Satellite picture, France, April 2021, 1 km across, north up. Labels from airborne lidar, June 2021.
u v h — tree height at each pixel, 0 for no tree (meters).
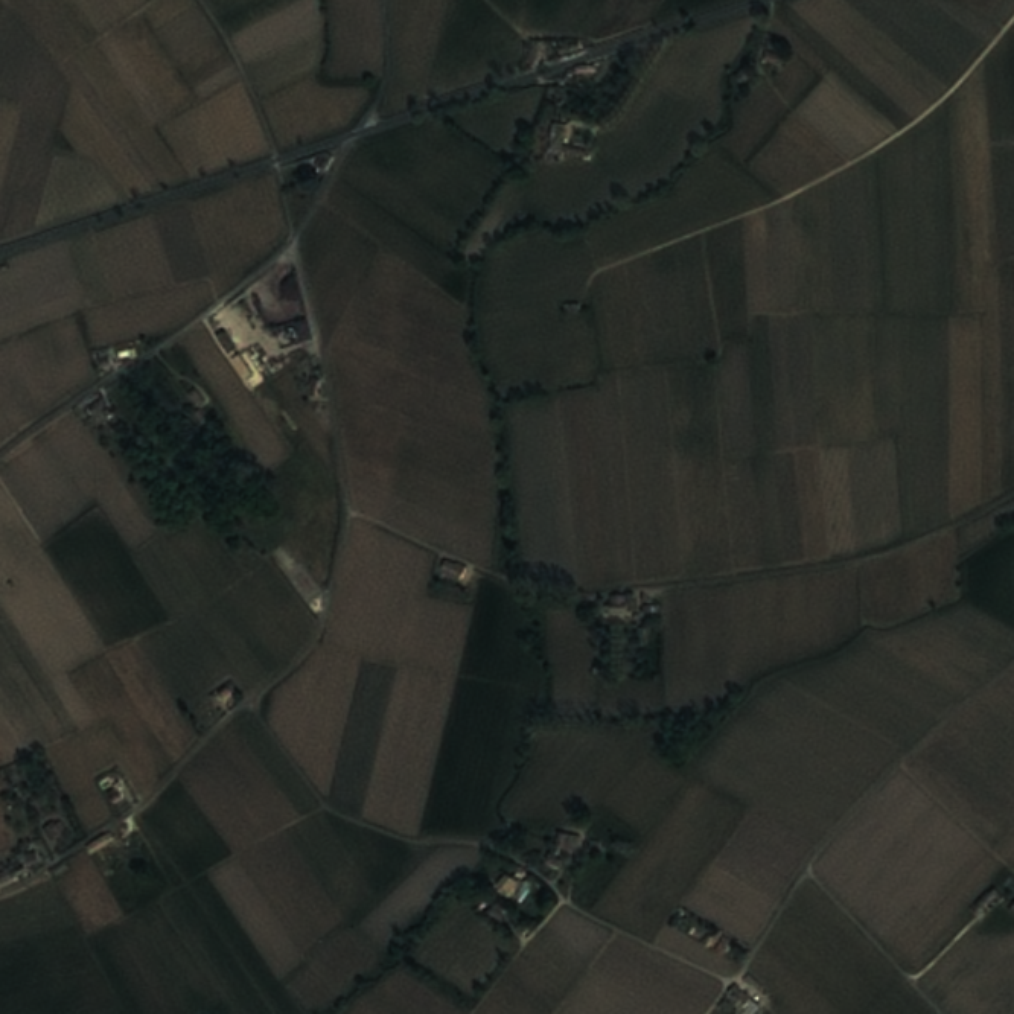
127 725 0
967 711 0
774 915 0
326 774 0
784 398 0
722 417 0
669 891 0
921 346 0
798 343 0
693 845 0
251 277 0
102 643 0
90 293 0
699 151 19
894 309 0
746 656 0
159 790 0
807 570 0
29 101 0
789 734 0
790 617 0
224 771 0
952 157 0
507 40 0
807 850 0
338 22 0
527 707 0
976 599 0
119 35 0
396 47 0
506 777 0
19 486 0
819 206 0
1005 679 0
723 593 0
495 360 0
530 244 0
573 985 0
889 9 0
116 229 0
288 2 0
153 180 0
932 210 0
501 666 0
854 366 0
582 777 0
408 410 0
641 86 17
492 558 0
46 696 0
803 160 0
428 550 0
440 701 0
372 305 0
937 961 0
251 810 0
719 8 0
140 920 0
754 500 0
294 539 0
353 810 0
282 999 0
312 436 0
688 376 0
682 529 0
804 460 0
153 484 14
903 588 0
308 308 0
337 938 0
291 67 0
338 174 0
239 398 0
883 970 0
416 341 0
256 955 0
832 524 0
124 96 0
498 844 17
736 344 0
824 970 0
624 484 0
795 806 0
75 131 0
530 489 0
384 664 0
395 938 8
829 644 0
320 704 0
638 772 0
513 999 0
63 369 0
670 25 0
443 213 0
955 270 0
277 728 0
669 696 0
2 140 0
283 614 0
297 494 0
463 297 0
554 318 0
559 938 0
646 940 0
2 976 0
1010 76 0
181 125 0
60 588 0
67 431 0
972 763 0
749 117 0
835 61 0
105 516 0
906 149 0
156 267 0
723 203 0
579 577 0
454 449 0
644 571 0
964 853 0
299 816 0
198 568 0
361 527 0
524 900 0
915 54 0
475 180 0
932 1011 0
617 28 0
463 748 0
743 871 0
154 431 8
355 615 0
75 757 0
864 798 0
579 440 0
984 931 0
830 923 0
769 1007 0
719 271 0
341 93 0
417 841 0
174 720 0
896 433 0
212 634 0
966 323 0
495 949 0
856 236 0
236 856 0
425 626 0
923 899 0
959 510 0
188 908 0
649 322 0
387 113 0
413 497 0
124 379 10
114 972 0
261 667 0
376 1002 0
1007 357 0
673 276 0
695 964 0
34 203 0
